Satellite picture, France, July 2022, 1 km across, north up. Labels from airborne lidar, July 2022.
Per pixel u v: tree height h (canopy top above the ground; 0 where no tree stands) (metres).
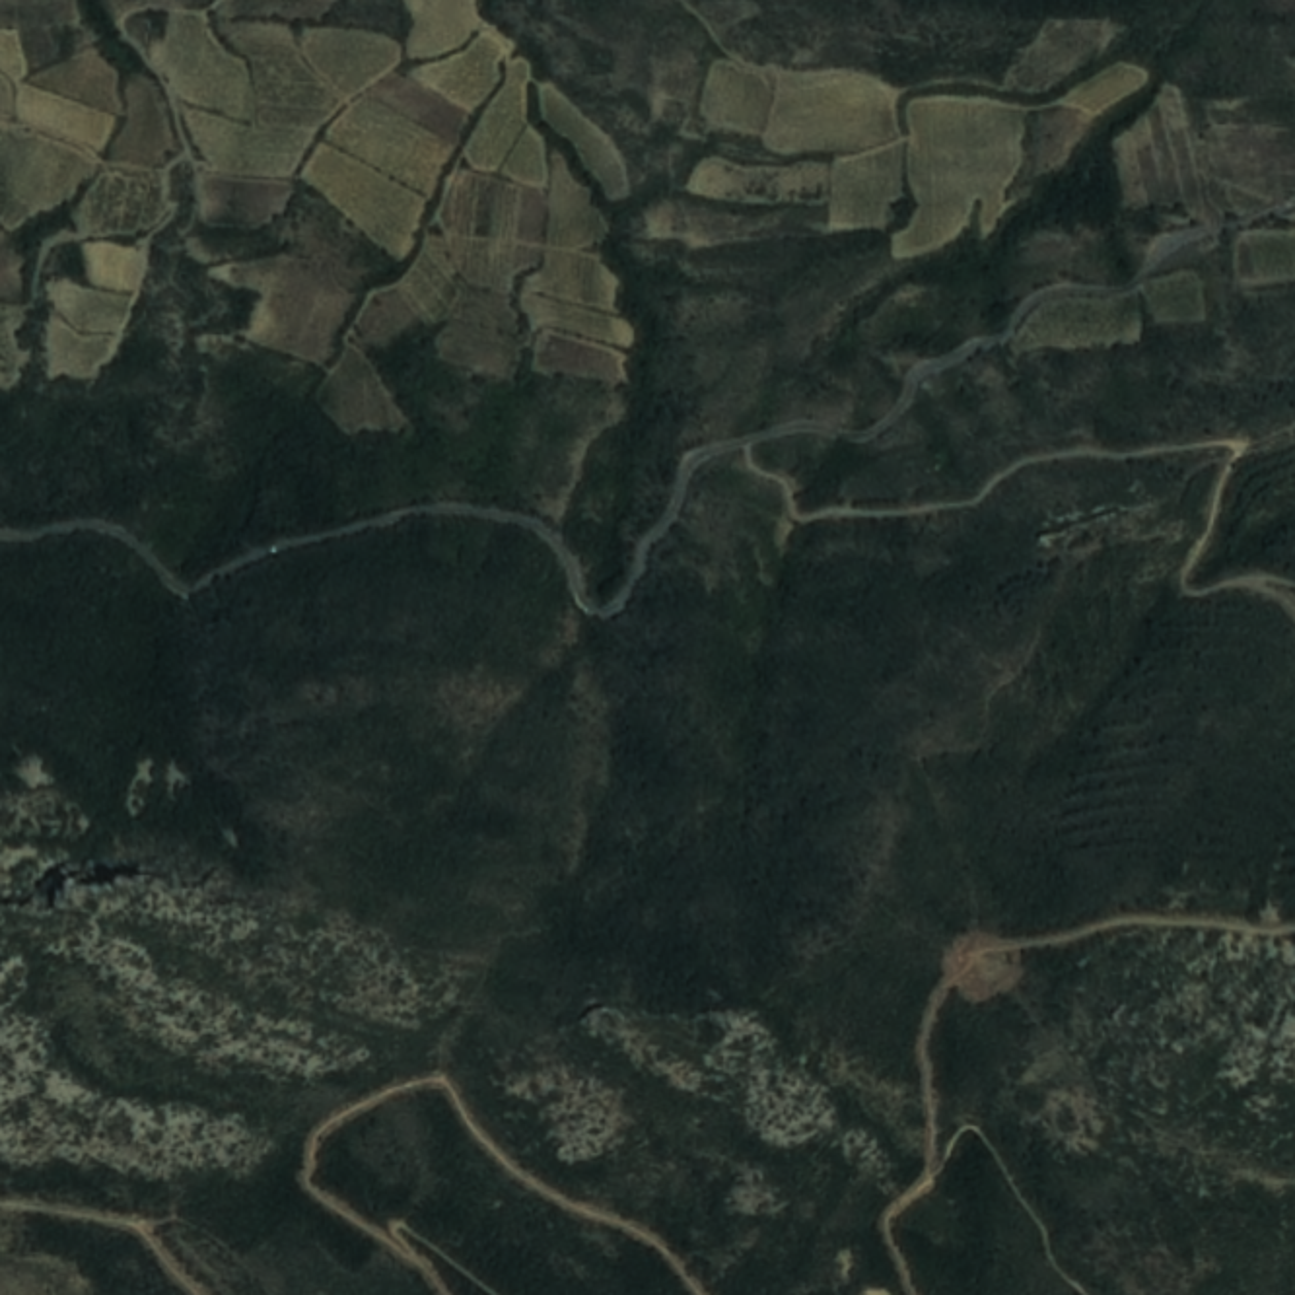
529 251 0
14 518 7
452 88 0
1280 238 0
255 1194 6
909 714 0
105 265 0
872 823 0
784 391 0
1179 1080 0
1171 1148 0
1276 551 10
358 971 0
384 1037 0
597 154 0
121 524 6
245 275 0
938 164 0
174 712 9
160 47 0
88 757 6
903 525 6
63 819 7
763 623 7
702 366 0
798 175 0
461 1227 7
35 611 8
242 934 0
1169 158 0
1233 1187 0
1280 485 7
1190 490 7
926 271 9
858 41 0
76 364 0
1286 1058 0
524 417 0
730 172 0
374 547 7
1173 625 8
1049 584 9
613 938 6
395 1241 0
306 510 8
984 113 0
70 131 0
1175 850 8
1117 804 6
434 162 0
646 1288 6
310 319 0
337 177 0
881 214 0
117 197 0
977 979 0
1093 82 0
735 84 0
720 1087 0
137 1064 6
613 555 8
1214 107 0
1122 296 0
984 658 0
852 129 0
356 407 0
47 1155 0
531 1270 8
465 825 6
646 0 0
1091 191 9
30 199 0
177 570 9
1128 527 0
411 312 0
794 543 9
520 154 0
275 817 0
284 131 0
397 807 6
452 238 0
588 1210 0
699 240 0
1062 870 6
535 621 6
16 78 0
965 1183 9
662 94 0
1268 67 0
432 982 0
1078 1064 0
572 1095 0
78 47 0
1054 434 0
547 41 0
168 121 0
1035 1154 7
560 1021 6
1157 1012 0
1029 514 0
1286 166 0
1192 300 0
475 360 0
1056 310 0
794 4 0
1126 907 8
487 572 6
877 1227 7
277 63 0
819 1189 6
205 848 6
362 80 0
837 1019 6
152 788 7
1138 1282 0
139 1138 0
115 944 0
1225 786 6
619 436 10
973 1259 7
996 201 0
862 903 0
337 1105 0
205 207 0
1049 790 7
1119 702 6
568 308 0
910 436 0
